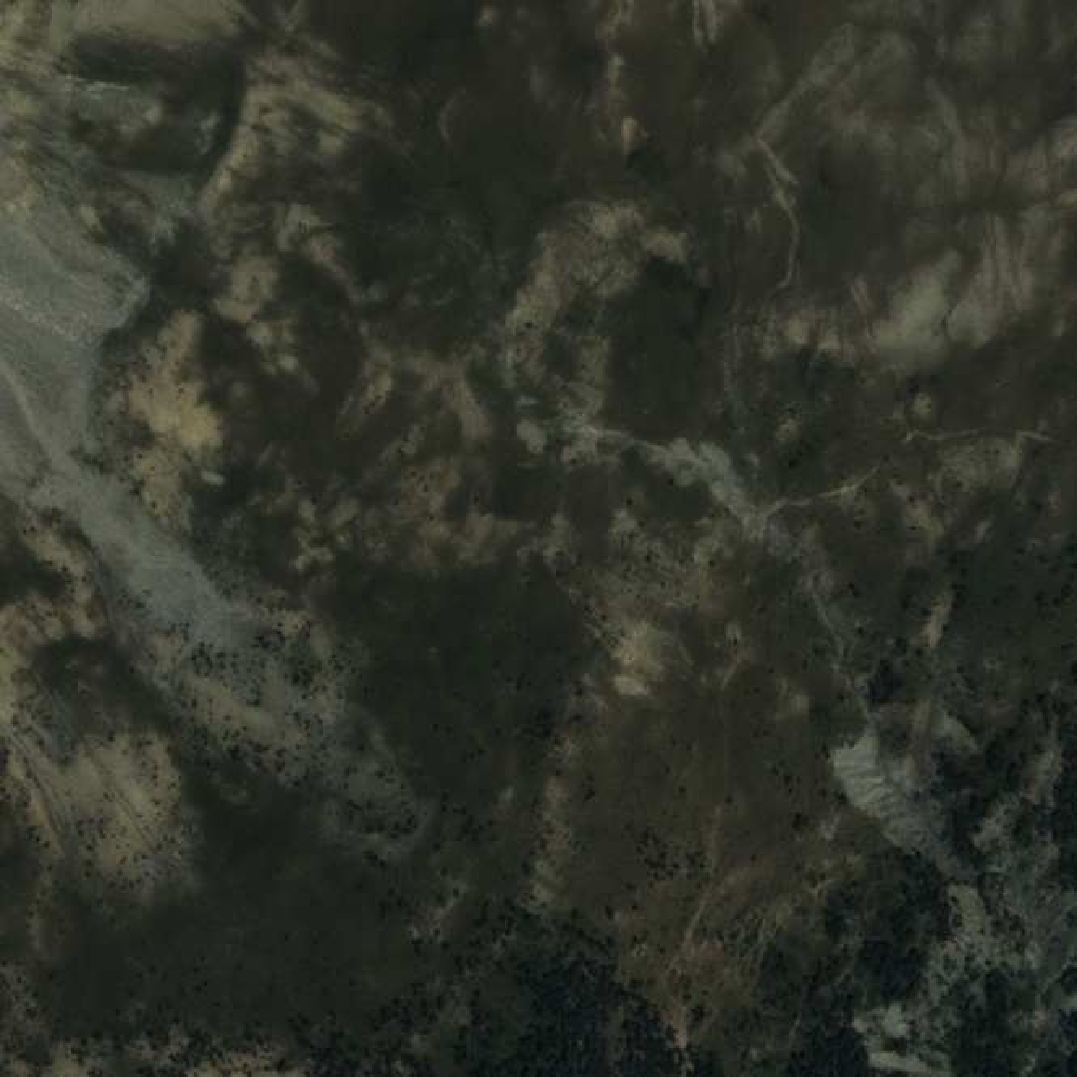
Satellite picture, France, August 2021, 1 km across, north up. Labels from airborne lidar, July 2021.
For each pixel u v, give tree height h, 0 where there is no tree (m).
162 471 0
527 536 0
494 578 0
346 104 0
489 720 0
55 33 0
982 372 0
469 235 0
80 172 0
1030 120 0
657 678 0
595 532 0
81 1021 0
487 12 0
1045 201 0
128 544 0
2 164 0
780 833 0
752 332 0
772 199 0
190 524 0
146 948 0
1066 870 12
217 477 0
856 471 0
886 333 0
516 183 0
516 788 0
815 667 0
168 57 0
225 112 0
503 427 0
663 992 0
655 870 9
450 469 0
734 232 0
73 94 0
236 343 0
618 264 0
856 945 0
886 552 0
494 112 0
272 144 0
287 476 0
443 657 0
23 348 0
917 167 0
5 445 0
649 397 0
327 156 0
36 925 0
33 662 0
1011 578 0
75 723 0
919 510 0
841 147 0
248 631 0
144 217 0
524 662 0
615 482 0
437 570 0
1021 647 0
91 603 0
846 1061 11
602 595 0
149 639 0
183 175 0
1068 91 0
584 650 0
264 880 0
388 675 0
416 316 0
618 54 0
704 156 0
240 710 0
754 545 0
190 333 0
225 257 0
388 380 0
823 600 0
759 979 0
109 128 0
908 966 12
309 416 0
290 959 0
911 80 0
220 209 0
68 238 0
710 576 0
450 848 0
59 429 0
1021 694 0
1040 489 0
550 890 0
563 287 0
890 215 0
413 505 0
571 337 0
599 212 0
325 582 0
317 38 0
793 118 0
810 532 0
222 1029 0
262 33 0
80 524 0
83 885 0
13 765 0
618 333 0
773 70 0
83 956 0
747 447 0
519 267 0
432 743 0
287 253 0
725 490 0
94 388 0
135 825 0
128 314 0
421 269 0
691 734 0
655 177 0
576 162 0
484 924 8
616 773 0
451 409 0
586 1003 9
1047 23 0
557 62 0
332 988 0
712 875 0
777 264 0
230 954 0
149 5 0
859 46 0
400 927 0
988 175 0
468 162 0
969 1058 7
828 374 0
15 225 0
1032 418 0
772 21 0
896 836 0
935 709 0
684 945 0
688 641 0
